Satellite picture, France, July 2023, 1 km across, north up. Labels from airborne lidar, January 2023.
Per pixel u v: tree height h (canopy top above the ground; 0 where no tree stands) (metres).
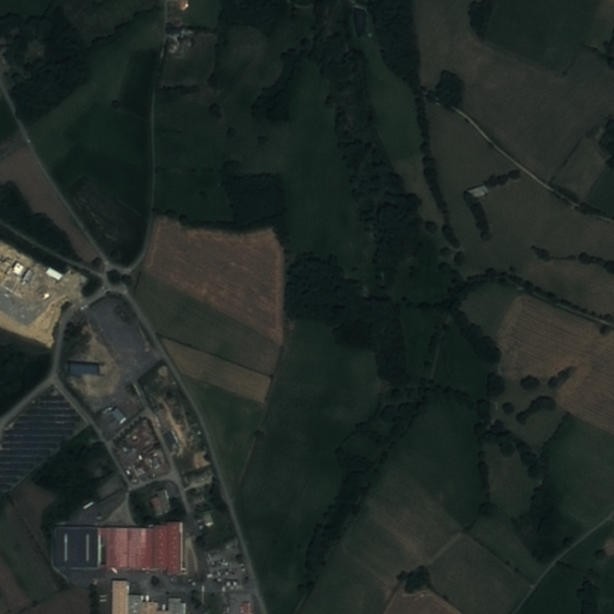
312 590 12
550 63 0
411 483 0
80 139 0
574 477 0
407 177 0
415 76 19
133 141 0
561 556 0
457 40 0
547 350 0
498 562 0
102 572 0
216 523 0
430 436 0
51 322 0
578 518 0
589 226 0
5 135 0
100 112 0
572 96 0
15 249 0
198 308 0
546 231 0
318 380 0
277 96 8
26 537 0
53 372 0
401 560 0
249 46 0
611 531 0
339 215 0
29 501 0
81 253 0
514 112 0
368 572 0
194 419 0
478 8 12
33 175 0
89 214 0
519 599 0
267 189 9
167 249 0
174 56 0
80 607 0
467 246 0
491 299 0
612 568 0
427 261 0
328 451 0
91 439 0
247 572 0
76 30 11
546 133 0
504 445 18
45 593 0
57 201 0
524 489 0
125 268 0
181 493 0
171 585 0
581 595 11
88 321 0
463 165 0
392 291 0
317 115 0
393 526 0
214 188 0
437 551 0
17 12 0
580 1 0
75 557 0
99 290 0
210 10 0
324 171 0
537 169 0
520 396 0
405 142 0
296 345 0
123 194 0
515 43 0
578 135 0
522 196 0
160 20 0
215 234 0
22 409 0
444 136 0
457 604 0
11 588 0
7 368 15
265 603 0
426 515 0
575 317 0
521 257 0
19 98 13
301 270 19
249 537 0
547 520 15
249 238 0
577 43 0
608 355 0
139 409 0
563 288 0
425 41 0
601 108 0
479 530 0
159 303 0
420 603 0
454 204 0
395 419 11
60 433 0
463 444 0
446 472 0
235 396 0
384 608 0
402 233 24
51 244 11
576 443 0
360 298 19
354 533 0
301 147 0
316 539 14
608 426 0
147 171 0
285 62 13
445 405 0
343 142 14
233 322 0
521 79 0
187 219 16
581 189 0
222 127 0
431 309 14
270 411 0
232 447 0
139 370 0
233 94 0
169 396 7
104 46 15
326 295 20
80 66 17
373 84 0
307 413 0
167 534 0
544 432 0
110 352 0
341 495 6
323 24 19
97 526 0
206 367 0
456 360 0
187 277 0
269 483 0
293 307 13
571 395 0
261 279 0
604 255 0
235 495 0
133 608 0
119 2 0
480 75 0
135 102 0
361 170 21
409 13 22
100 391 0
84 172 0
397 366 20
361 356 0
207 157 0
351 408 0
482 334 18
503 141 0
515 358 0
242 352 0
